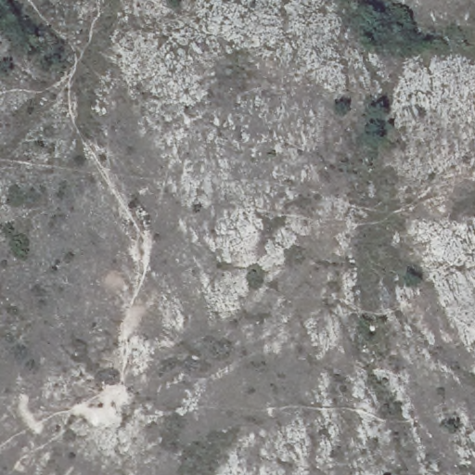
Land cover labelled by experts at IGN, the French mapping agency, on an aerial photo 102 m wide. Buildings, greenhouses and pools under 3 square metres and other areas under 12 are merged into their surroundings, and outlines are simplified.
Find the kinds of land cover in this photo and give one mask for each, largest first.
<instances>
[{"label":"bare soil","instance_id":"1","mask_svg":"<svg viewBox=\"0 0 475 475\"><path fill-rule=\"evenodd\" d=\"M104 0H85L76 2L74 9L80 15L96 11L95 19H91L89 24V35H93L98 20L102 17ZM121 7L117 11V20L111 33L113 52L109 54V61L117 67L106 71L95 91V111L98 113L96 119L102 126V132H91V137L85 139L76 124L78 100L72 93V80L76 76V71L71 67L61 76L59 72L35 69L30 63V58L22 56L15 61V69L9 71V74L0 72V223H11L17 232L30 237L28 260H19L17 256H13L9 239L0 230V475H178L182 451H165L161 447V419L163 416L176 414H180L184 419V430L178 436V442L186 445L204 442L210 430L228 432L234 427L239 429V438L230 449L228 462L219 468L217 475H475V414L468 417L466 408L456 399L449 397L442 401V397L436 392L440 388L442 377L460 382V377L451 367L432 360L430 351L434 347V334L425 323L423 310L410 302L412 295H419L423 289L434 286L438 291L440 306L447 312L451 325L458 328L460 340L466 345V351L475 353V217H462L458 223L449 221V208L455 200L471 197V191L475 189V63L471 65L468 58L462 56H447L440 61L430 50H423L406 61L403 58H395V52L382 54L379 58L369 46H362V39L358 35L341 28L340 19L336 15L338 6L330 0H119ZM380 95L388 96L392 100L395 126H406V134L401 137V141L408 145L406 150H393L388 158H384V167H393L399 176H404L403 184L397 187L399 208L395 213L403 215L408 228L404 232L393 234L392 243L412 245L410 262L416 263L406 271L404 278H393L397 286L393 291H388L386 284L379 282V310H375V315H379L380 323L390 321L393 330L397 332V338L392 343V354L401 356L404 360L403 369L399 373H393L392 369H375L377 377L388 379L390 390L403 406V412L392 419H384L377 414L380 408L379 399L371 386H367L364 380H356L351 386V382L347 380L354 373L356 358L349 349L345 351L343 343L338 340L340 325L351 314L362 315L360 302H354V297H360V291L353 288L358 278V262L349 243L353 241L356 232L354 215L367 217V213H364L362 206L347 202V184L354 182V186H358V178L354 174L334 173L328 169L330 163H336L338 160V152H341L343 147V132H351V122L358 121L367 102L379 98ZM11 186H19L20 189L33 187L35 193H39L41 186H45L50 204L45 208L9 206L7 191ZM249 265H260L265 271L262 286L258 289H250L247 284ZM414 9L416 20L419 17L447 20L455 11V4L475 2V0H397Z\"/></svg>","mask_w":475,"mask_h":475},{"label":"brushwood","instance_id":"2","mask_svg":"<svg viewBox=\"0 0 475 475\"><path fill-rule=\"evenodd\" d=\"M67 43L50 26L39 24L37 20L24 15L19 0H0V72L9 74V71L15 69V61L22 56L30 58V63L35 69L59 72L61 76L71 67L69 59L63 58ZM121 7L119 0H104L102 17L98 20L93 35L91 46L85 50V56L76 71V76L72 80V93L78 100L76 124L85 139L91 137V132H102V126L96 119L98 113L95 111V91L106 71L117 67L109 61V54L113 52L111 33L117 20V11ZM338 6L336 15L340 19L341 28L358 35L362 39V46H369L379 58L382 54L395 52V58H403L406 61L423 50H430L440 61L447 56H462L468 58L471 65L475 63V2L455 4V11L447 20L419 17L416 20L414 9L397 0H330ZM406 134V126H395L392 100L388 96L380 95L379 98L367 102L358 121L351 122V132H343V147L341 152H338V160L336 163H330L328 169L334 173L354 174L358 178V186H354V182L347 184V202L362 206L364 213H367V217L354 215L356 232L353 241L349 243L358 262V278L353 288L360 291V297H354V302H360L362 315L351 314L340 325L338 340L343 343L345 351L349 349L356 358L354 373L347 380L351 382V386L356 380H364L367 386H371L379 399L380 408L377 414L384 419H392L403 412V406L390 390L388 379L377 377L375 369H392L393 373H399L403 369L404 360L401 356L392 354V343L397 338V332L393 330L390 321L380 323L379 315H375V310H379V282L386 284L388 291H393L397 286L393 278H404L406 271L416 263L410 262L412 245L392 243L393 234L404 232L408 228L403 215L395 213L399 208L397 187L403 184L404 176H399L393 167H384V158H388L393 150H406L408 145L401 141V137ZM9 206L45 208L50 204L45 186H41L39 193H35L33 187L20 189L19 186H11L7 191ZM462 217H475V189L471 191V197L455 200L449 208V221L458 223ZM0 230L9 239L13 256H17L19 260H28L30 237L17 232L11 223H0ZM265 271L260 265H249L247 284L250 289H258L262 286ZM161 447L165 451H182L178 475H217L219 468L228 462L230 449L239 438V429L234 427L228 432L210 430L204 442L186 445L178 442V436L184 430V419L180 414H176L163 416L161 419Z\"/></svg>","mask_w":475,"mask_h":475},{"label":"herbaceous vegetation","instance_id":"3","mask_svg":"<svg viewBox=\"0 0 475 475\"><path fill-rule=\"evenodd\" d=\"M24 15L37 20L39 24L50 26L67 43L63 58L69 59L71 67L76 71L85 56V50L91 46L93 35H89V24L91 19H95L96 11L80 15L74 9L76 2L85 0H19ZM423 310L425 323L434 334V347L430 351L432 360L451 367L460 377V382L442 377L440 388L436 392L442 397V401L449 397L456 399L466 408L468 417L475 414V353L466 351V345L460 340L458 328L451 325L447 312L440 306L438 291L434 286L423 289L419 295H412L410 302Z\"/></svg>","mask_w":475,"mask_h":475}]
</instances>
